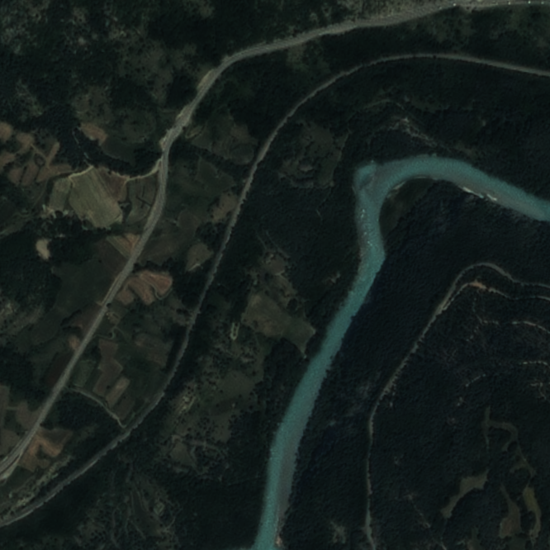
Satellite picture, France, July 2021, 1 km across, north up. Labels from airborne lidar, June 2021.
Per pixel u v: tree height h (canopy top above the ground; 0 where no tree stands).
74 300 0
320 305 16
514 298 14
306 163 9
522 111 14
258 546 0
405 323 10
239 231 8
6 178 7
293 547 15
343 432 7
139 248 0
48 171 0
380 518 10
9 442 0
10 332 0
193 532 9
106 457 8
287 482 0
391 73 17
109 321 0
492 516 7
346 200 13
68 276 0
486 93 17
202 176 0
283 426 0
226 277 8
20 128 6
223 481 10
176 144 10
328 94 7
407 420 10
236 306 10
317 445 9
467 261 11
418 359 10
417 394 6
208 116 9
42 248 0
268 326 0
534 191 14
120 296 0
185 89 6
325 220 10
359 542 9
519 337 10
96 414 8
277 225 8
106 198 0
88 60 7
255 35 9
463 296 7
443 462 9
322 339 17
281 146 8
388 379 9
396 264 10
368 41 11
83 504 8
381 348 10
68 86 10
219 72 0
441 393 11
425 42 9
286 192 11
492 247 10
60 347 0
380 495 10
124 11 9
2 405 0
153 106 7
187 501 11
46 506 6
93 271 0
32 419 0
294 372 12
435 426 7
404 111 8
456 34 8
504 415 9
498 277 7
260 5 9
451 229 7
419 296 7
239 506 10
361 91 10
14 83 10
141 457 10
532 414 8
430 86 8
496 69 9
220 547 10
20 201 6
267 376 7
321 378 0
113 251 0
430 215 14
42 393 16
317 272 8
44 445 0
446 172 0
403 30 9
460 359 12
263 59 12
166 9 8
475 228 10
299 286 11
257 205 10
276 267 0
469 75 12
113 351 0
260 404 12
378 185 0
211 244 8
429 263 10
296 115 6
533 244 10
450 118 19
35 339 0
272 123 17
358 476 10
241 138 0
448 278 9
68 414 8
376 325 14
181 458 0
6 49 12
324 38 11
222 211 0
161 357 0
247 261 8
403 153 11
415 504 10
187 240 0
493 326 10
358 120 13
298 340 0
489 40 6
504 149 16
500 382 15
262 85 8
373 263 0
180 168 0
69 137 13
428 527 6
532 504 0
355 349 8
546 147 16
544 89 9
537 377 11
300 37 0
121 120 7
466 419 10
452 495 12
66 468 9
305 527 9
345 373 9
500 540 8
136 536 7
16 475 0
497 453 8
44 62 14
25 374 7
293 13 7
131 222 0
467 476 13
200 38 15
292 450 0
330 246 7
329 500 9
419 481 9
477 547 0
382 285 11
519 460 7
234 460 11
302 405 0
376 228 0
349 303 0
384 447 11
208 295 10
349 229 14
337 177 8
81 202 0
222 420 0
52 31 7
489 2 0
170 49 6
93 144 6
